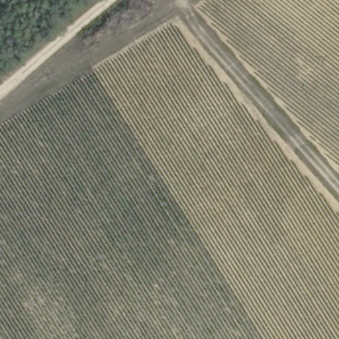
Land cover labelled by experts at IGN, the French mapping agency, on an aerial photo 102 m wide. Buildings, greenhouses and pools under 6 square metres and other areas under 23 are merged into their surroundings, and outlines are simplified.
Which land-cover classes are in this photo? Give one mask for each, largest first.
<instances>
[{"label":"vineyard","instance_id":"1","mask_svg":"<svg viewBox=\"0 0 339 339\"><path fill-rule=\"evenodd\" d=\"M187 19L184 23L179 17L164 21L123 46L118 52L98 61L94 66L87 61L82 62L81 65L70 68L69 72L58 75L53 81L29 91L21 103L23 109L4 119L5 126L0 122V339H339V0H200L196 4L188 1L187 7L183 8Z\"/></svg>","mask_w":339,"mask_h":339},{"label":"herbaceous vegetation","instance_id":"2","mask_svg":"<svg viewBox=\"0 0 339 339\"><path fill-rule=\"evenodd\" d=\"M101 0H82L79 4H69L72 12L66 13L64 17L52 16L53 29L49 34L54 40L62 36L69 25ZM188 1L196 4L200 0H118L91 23L83 26L72 40L62 45L15 89L0 99V122L5 126L4 119L23 109L21 103L29 91L53 81L58 75L69 72L70 68L81 65L82 62L87 61L94 66L98 61L118 52L123 46L164 21L179 17L184 23L187 19L183 8L187 7ZM48 44L41 34L36 37V45L28 38L25 44H17V48L12 50V56L5 58L7 66L0 64V85Z\"/></svg>","mask_w":339,"mask_h":339},{"label":"coniferous trees","instance_id":"3","mask_svg":"<svg viewBox=\"0 0 339 339\"><path fill-rule=\"evenodd\" d=\"M82 0H0V64L7 66L5 58L12 56V50L17 48V44H25L28 38L36 45V37L41 34L48 44L54 40L49 34L53 29L52 16L64 17L66 13L72 12L69 4H79Z\"/></svg>","mask_w":339,"mask_h":339},{"label":"pervious surface","instance_id":"4","mask_svg":"<svg viewBox=\"0 0 339 339\"><path fill-rule=\"evenodd\" d=\"M118 0H101L69 25L62 36L54 40L48 44L0 85V99L15 89L62 45L72 40L83 26L91 23Z\"/></svg>","mask_w":339,"mask_h":339}]
</instances>
